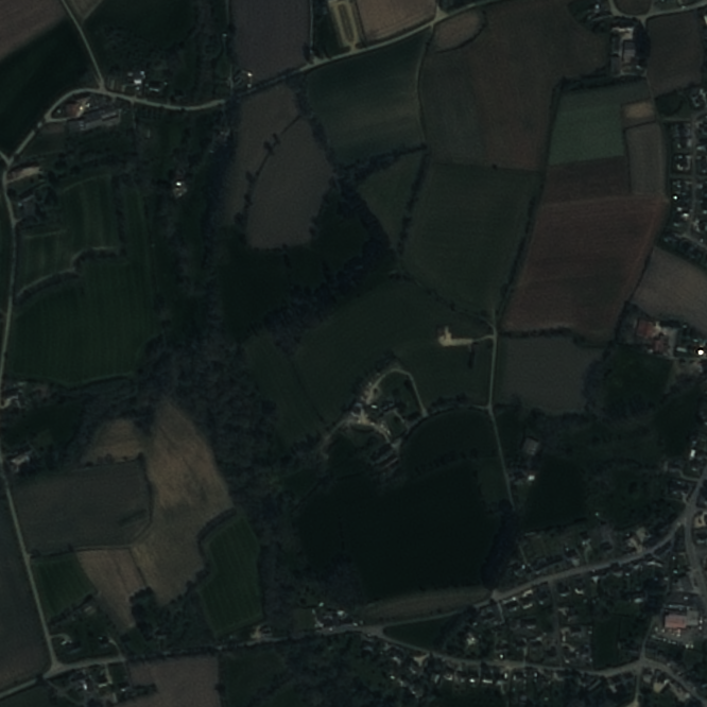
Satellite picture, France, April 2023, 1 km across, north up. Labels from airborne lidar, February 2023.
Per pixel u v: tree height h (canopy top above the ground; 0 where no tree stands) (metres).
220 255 27
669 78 0
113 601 0
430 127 0
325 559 0
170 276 0
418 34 0
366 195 0
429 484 0
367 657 7
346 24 0
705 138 0
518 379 0
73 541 0
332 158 17
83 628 0
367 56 0
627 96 0
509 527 23
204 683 0
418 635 0
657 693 0
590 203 0
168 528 0
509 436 0
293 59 0
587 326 0
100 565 0
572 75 0
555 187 0
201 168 10
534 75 0
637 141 0
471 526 0
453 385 0
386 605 0
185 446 0
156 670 0
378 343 0
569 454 9
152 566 0
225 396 9
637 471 11
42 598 0
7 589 0
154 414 13
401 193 0
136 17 0
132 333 0
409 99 0
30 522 0
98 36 0
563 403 0
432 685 6
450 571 0
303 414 0
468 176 0
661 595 17
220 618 0
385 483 7
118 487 0
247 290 0
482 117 0
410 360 0
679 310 0
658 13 0
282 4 0
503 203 0
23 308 12
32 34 0
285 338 23
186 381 16
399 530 0
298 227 0
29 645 0
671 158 0
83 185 0
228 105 10
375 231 24
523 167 0
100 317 0
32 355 0
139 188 16
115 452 0
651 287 0
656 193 0
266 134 0
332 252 0
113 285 0
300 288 0
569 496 0
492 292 0
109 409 15
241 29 0
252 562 0
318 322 16
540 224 0
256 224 0
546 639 0
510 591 0
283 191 0
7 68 0
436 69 0
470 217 0
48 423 0
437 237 0
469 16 0
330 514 0
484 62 0
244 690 0
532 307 0
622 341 6
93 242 0
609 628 0
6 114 0
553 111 0
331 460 0
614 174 0
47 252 0
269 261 0
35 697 0
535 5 0
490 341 0
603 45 0
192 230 0
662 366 0
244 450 31
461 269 0
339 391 0
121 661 0
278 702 0
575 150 0
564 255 0
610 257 0
